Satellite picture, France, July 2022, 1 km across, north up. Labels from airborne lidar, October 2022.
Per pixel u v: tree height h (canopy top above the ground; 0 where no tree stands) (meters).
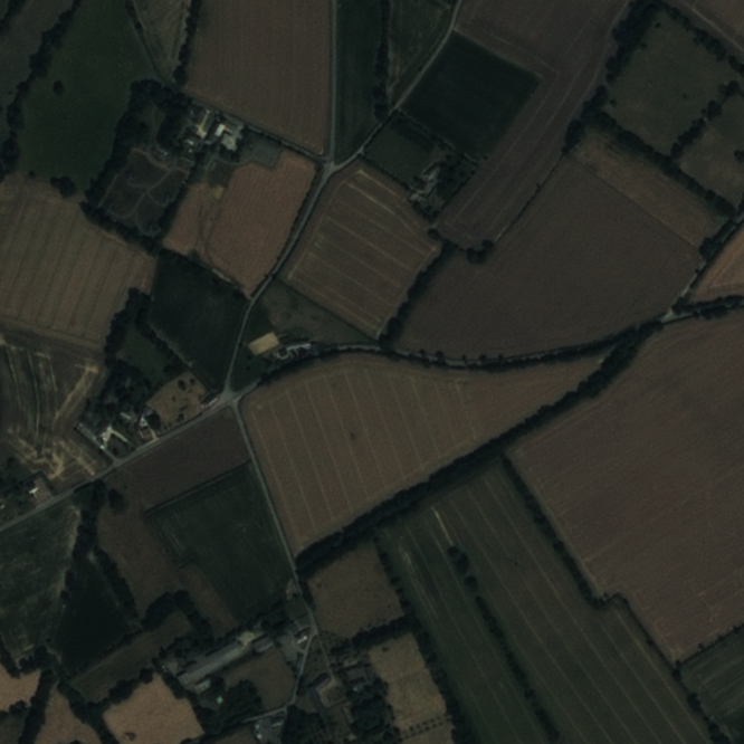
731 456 0
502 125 0
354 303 0
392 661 0
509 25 0
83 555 15
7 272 0
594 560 0
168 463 0
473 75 0
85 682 0
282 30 0
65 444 0
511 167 0
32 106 0
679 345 0
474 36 0
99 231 0
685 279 0
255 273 0
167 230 16
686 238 0
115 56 0
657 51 0
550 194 0
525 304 0
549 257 0
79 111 0
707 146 0
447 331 0
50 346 0
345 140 0
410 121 8
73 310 0
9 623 0
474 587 16
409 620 14
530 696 15
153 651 0
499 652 0
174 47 0
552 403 0
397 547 0
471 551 0
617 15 0
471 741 17
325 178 0
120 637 0
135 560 0
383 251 0
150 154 0
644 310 0
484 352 0
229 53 0
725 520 0
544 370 0
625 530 0
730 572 0
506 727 0
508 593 0
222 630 0
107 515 0
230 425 0
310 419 0
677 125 0
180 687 18
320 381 0
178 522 0
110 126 0
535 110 0
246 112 0
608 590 0
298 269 0
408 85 0
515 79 0
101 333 0
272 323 0
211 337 0
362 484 0
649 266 0
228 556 0
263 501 0
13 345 0
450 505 0
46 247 0
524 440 0
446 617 0
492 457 16
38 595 0
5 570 0
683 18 17
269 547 0
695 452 0
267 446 0
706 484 0
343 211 0
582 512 0
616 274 0
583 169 0
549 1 0
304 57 0
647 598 0
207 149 7
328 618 0
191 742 8
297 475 0
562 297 0
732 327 0
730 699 0
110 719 0
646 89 0
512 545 0
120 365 13
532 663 0
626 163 0
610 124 19
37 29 0
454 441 0
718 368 0
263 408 0
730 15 0
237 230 0
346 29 0
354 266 0
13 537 0
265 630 11
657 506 0
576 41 0
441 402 0
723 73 0
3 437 0
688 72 0
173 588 0
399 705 0
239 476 0
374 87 0
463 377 0
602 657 0
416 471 0
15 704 0
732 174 0
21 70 0
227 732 13
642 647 0
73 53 0
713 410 0
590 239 0
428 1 0
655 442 0
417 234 0
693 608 0
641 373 0
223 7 0
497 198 0
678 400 0
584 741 0
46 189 0
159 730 0
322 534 0
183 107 20
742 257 0
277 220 0
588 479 0
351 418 0
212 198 0
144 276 0
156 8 0
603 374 14
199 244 0
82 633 0
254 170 0
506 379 0
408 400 0
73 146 0
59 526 0
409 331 0
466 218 0
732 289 0
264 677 0
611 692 0
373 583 0
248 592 0
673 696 0
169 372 12
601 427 0
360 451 0
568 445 0
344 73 0
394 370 0
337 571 0
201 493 0
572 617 0
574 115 0
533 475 0
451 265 0
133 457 0
